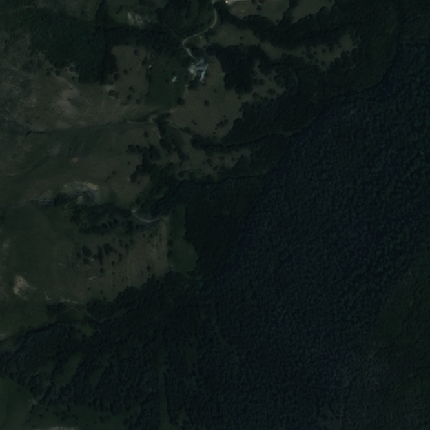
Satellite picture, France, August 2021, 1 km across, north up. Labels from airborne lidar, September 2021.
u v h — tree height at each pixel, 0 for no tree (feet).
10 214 0
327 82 68
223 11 72
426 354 52
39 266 0
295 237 54
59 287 0
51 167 0
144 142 0
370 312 39
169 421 0
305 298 73
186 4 52
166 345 30
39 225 0
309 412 45
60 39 48
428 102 84
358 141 59
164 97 0
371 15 41
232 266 41
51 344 62
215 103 0
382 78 44
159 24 22
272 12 0
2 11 0
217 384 46
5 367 48
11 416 0
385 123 89
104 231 35
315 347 66
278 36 83
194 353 0
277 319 45
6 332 0
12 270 0
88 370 45
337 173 87
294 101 70
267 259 85
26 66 20
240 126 69
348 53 35
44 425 0
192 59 47
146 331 43
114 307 48
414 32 44
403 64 95
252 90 62
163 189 66
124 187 0
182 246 0
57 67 42
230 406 41
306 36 74
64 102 0
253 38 0
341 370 55
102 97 0
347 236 65
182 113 0
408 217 46
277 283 40
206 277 51
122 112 0
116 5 0
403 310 76
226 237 79
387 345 32
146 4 54
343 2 53
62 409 0
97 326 50
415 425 23
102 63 49
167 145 72
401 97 86
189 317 68
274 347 67
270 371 51
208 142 23
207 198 74
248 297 46
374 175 48
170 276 63
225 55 51
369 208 33
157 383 63
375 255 71
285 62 35
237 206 69
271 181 51
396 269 43
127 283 0
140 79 0
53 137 0
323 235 32
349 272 53
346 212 59
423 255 69
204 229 67
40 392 53
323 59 0
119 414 58
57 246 0
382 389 26
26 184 0
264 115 66
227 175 40
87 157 0
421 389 72
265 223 75
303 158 67
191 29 37
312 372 34
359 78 81
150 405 70
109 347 33
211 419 47
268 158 61
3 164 0
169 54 38
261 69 39
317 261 61
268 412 56
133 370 62
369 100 47
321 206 71
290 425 45
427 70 80
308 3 0
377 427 53
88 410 0
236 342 45
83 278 0
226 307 52
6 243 0
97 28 24
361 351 63
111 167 0
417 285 78
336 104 58
